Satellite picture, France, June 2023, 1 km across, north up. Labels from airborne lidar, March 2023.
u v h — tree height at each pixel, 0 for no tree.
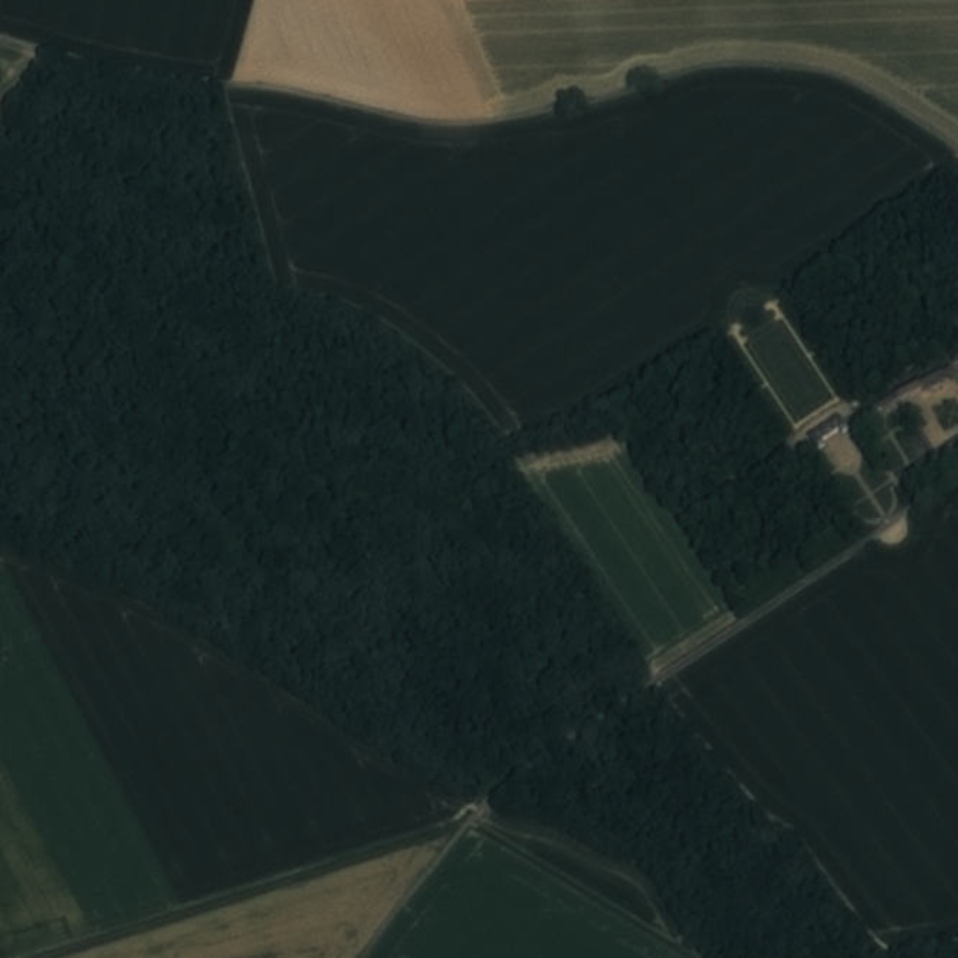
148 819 0
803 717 0
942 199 26
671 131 0
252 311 23
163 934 0
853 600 0
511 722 26
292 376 24
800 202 0
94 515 25
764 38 0
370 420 9
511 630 21
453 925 0
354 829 0
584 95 11
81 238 22
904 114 0
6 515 22
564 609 18
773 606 0
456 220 0
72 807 0
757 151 0
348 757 0
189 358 28
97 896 0
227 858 0
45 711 0
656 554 0
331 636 21
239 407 27
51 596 0
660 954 0
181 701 0
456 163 0
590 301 0
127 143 26
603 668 23
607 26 0
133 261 25
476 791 20
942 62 0
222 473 23
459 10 0
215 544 22
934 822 0
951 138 0
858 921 17
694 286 0
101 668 0
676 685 0
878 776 0
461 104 0
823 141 0
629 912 0
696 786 22
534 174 0
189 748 0
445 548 22
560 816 16
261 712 0
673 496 25
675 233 0
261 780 0
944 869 0
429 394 23
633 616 0
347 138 0
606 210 0
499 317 0
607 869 0
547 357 0
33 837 0
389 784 0
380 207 0
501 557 25
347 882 0
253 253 18
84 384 23
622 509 0
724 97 0
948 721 0
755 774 0
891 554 0
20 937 0
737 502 25
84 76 18
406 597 14
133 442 22
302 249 0
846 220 0
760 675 0
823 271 24
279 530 25
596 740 27
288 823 0
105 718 0
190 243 24
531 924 0
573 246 0
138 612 0
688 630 0
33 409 23
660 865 19
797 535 23
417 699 22
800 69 0
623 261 0
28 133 21
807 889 22
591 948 0
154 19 0
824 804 0
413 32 0
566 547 18
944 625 0
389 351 23
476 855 0
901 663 0
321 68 0
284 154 0
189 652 0
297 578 25
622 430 25
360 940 0
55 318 23
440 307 0
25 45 0
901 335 28
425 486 28
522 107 0
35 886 0
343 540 25
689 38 0
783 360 0
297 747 0
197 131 26
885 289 33
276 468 25
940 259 26
